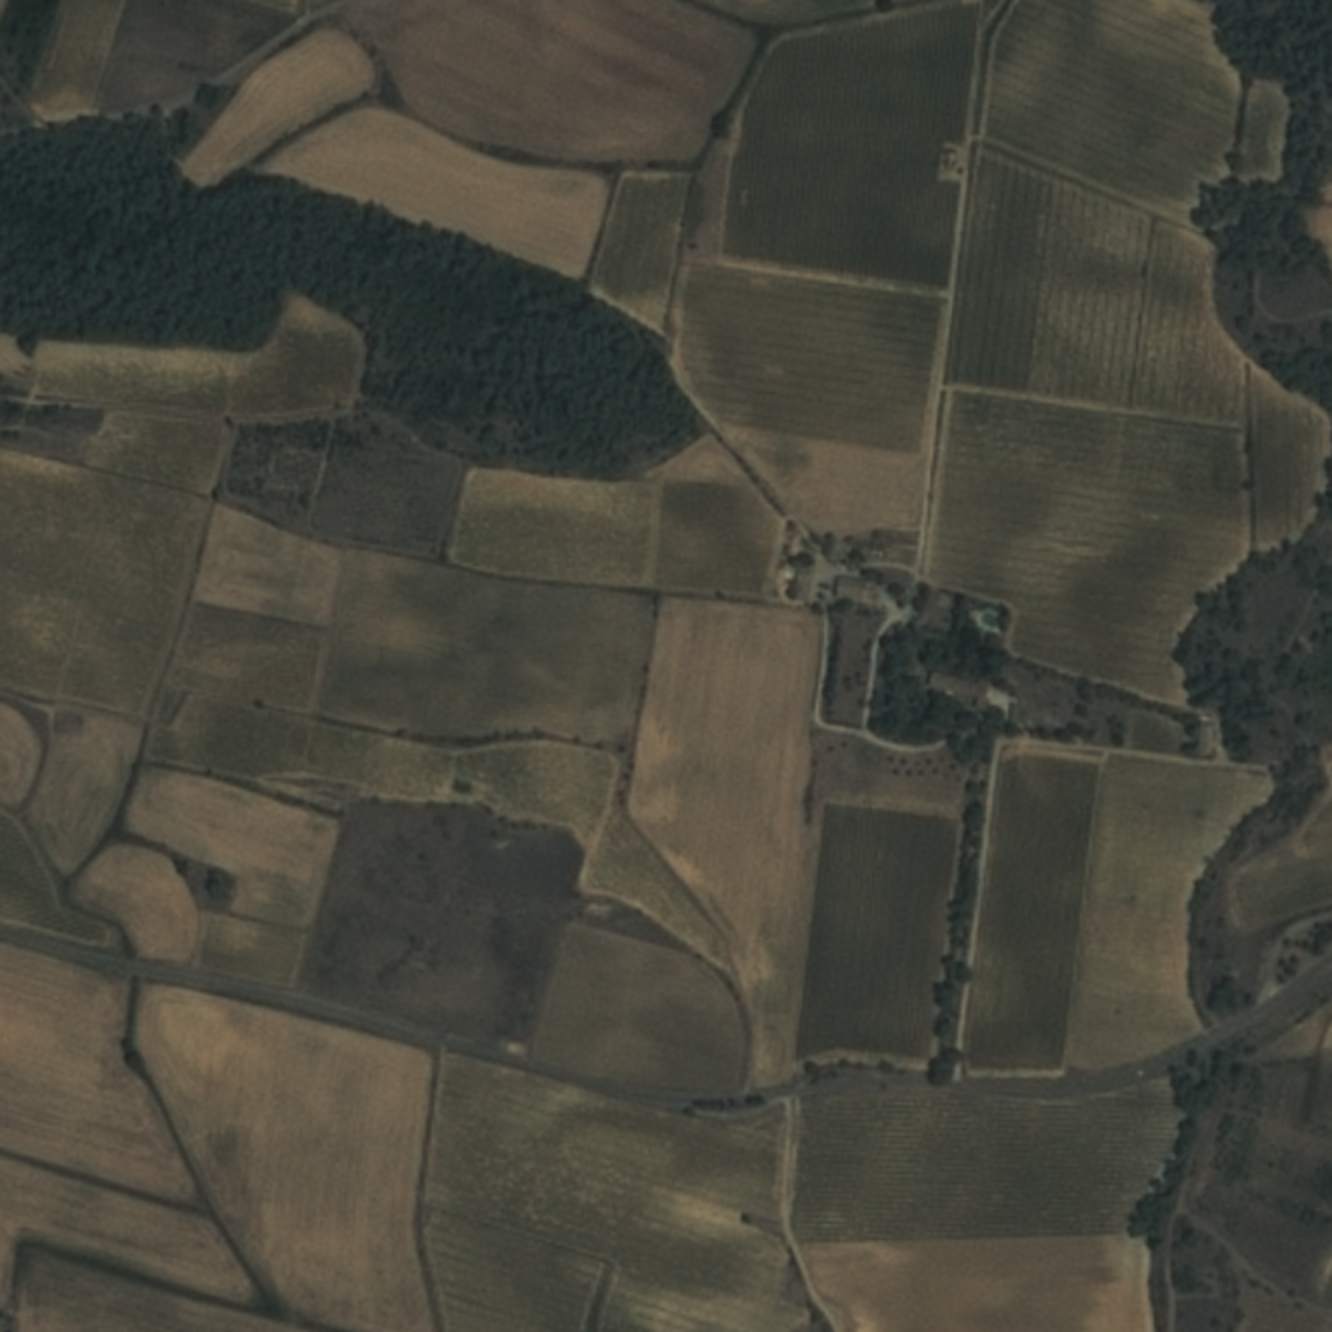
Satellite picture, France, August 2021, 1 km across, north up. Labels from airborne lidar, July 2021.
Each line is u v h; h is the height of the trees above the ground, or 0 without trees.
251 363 0
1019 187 0
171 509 0
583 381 14
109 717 0
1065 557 0
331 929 0
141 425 0
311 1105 0
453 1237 0
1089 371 0
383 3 0
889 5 10
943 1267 0
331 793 0
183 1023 0
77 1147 0
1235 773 0
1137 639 0
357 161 0
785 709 0
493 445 11
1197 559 0
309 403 0
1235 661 10
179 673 0
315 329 0
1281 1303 0
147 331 19
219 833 0
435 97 0
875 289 0
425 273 7
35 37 9
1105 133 0
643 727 0
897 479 0
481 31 0
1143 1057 0
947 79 0
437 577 0
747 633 0
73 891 0
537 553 0
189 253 17
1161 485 0
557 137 0
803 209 0
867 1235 0
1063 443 0
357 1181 0
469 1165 0
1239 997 10
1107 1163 0
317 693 0
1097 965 0
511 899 0
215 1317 0
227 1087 0
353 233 16
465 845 0
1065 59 0
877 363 0
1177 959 0
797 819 0
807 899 0
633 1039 0
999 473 0
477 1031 0
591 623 0
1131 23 0
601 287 0
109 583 0
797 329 0
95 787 0
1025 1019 0
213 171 0
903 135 0
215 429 0
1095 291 0
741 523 0
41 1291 0
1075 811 0
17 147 12
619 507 0
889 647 18
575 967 0
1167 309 0
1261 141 0
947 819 0
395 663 0
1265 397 0
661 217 0
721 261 0
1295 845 0
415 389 8
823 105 0
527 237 0
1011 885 0
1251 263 14
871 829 0
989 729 10
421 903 0
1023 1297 0
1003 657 8
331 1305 0
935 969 0
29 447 0
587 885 0
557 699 0
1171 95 0
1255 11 12
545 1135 0
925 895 0
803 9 0
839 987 0
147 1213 0
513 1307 0
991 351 0
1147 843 0
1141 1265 0
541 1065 0
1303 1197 0
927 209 0
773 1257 0
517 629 0
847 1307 0
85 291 16
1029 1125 0
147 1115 0
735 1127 0
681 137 0
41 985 0
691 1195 0
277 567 0
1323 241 7
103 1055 0
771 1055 0
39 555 0
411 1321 0
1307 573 6
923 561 0
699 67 0
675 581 0
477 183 0
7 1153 0
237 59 0
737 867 0
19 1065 0
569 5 0
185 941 0
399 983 0
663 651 0
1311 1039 0
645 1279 0
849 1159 0
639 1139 0
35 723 0
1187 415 0
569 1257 0
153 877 0
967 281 0
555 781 0
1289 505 0
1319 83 11
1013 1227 0
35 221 21
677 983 0
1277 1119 0
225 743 0
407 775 0
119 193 20
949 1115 0
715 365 0
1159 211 0
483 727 0
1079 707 7
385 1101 0
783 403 0
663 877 0
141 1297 0
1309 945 8
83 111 0
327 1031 0
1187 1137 10
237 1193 0
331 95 0
